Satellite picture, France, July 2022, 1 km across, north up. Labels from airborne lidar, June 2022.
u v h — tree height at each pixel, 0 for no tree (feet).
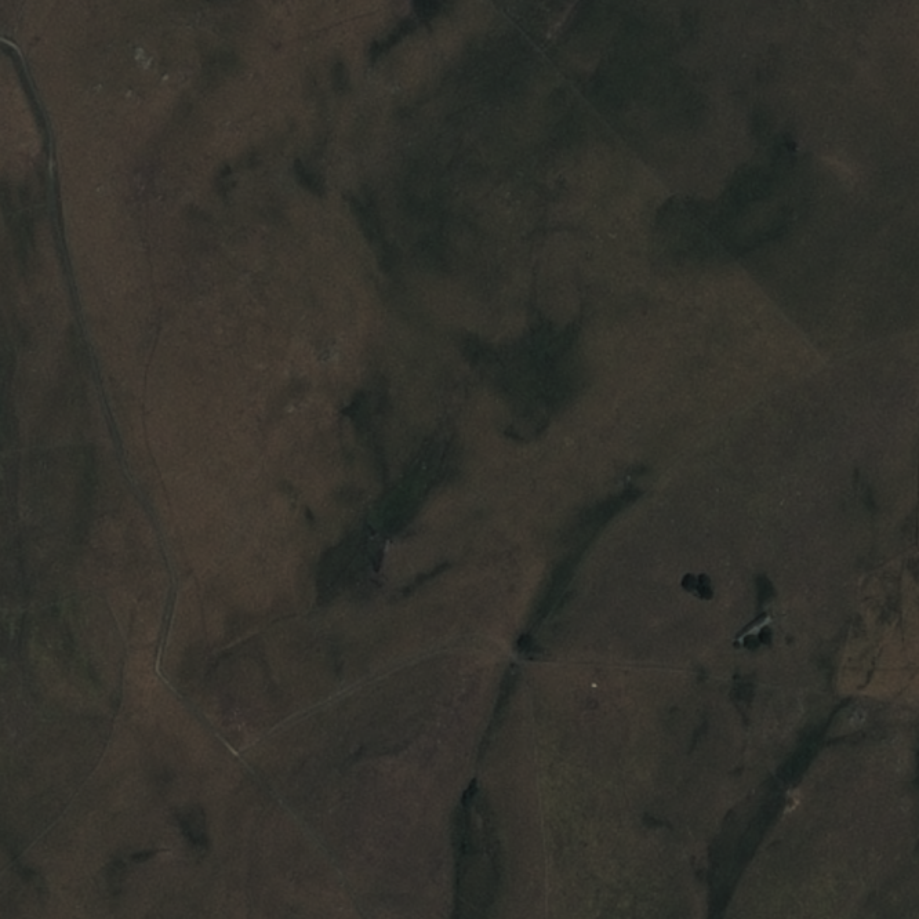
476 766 0
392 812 0
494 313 0
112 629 0
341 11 0
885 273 0
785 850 0
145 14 0
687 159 0
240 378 0
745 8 0
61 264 0
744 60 0
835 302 0
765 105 0
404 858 0
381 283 0
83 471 0
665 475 0
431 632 0
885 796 0
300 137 0
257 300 0
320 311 0
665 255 0
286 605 0
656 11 0
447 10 0
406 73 0
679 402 0
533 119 0
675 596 0
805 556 0
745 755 0
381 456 0
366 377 0
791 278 0
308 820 0
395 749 0
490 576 0
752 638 36
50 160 0
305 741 0
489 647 0
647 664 0
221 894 0
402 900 0
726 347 0
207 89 0
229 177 0
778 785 0
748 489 0
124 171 0
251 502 0
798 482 0
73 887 0
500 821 0
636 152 0
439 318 0
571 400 0
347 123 0
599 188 0
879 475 0
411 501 0
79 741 0
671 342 0
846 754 0
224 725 0
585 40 0
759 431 0
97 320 0
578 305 0
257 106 0
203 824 0
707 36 0
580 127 0
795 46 0
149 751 0
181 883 0
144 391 0
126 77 0
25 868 0
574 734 0
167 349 0
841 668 0
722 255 0
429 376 0
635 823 0
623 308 0
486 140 0
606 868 0
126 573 0
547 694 0
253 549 0
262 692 0
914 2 0
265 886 0
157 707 0
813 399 0
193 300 0
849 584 0
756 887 0
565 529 0
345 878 0
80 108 0
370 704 0
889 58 0
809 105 0
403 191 0
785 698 0
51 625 0
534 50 0
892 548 0
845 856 0
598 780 0
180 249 0
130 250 0
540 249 0
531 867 0
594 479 0
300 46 0
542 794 0
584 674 0
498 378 0
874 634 0
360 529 0
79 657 0
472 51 0
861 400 0
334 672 0
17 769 0
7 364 0
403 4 0
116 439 0
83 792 0
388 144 0
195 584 0
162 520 0
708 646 0
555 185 0
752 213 0
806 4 0
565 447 0
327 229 0
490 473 0
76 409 0
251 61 0
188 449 0
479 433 0
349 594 0
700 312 0
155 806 0
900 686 0
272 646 0
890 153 0
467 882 0
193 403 0
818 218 0
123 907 0
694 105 0
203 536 0
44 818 0
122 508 0
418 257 0
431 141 0
